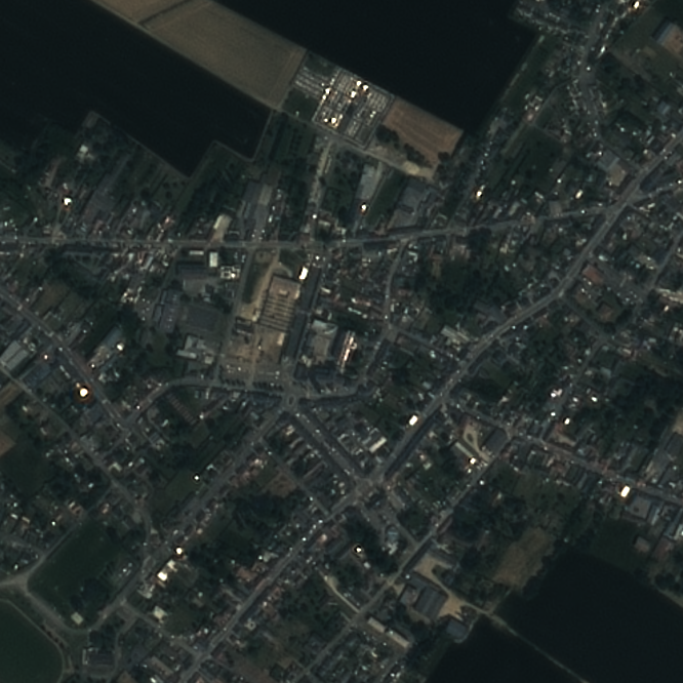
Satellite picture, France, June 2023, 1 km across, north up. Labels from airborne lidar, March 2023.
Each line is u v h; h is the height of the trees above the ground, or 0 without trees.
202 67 0
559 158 0
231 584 9
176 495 0
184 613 0
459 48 0
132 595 0
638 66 0
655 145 0
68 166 0
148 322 0
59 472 16
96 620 0
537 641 0
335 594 0
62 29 0
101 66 0
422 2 0
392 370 7
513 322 0
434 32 0
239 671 0
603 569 0
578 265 0
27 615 0
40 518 6
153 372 8
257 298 0
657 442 9
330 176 0
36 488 0
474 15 0
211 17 0
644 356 0
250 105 0
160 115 0
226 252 12
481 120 0
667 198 0
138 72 0
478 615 0
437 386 0
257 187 0
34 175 7
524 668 0
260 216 0
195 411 0
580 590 0
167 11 0
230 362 0
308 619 0
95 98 0
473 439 0
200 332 0
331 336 0
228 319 0
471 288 17
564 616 0
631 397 8
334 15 0
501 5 0
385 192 0
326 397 0
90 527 0
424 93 0
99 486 16
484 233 18
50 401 7
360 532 9
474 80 0
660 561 0
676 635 0
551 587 0
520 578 0
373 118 0
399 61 0
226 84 0
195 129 0
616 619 0
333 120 0
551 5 13
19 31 0
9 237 0
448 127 0
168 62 0
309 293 0
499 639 0
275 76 0
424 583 0
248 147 0
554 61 0
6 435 0
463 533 16
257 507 20
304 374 0
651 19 0
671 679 0
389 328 0
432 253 0
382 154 0
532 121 0
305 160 6
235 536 0
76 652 0
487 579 0
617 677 0
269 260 17
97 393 0
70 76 0
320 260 0
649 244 0
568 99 0
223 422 12
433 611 0
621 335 0
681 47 0
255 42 0
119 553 0
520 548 0
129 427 0
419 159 7
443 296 10
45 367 0
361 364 0
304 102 0
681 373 0
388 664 0
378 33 0
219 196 10
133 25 0
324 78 0
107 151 9
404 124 0
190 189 0
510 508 10
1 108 0
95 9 0
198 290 0
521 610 0
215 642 0
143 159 0
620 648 0
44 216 0
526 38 0
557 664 0
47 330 0
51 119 0
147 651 0
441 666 0
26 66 0
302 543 0
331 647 0
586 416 13
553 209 0
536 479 0
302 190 8
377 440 0
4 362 0
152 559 0
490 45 0
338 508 0
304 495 8
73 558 0
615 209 0
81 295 7
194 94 0
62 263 8
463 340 0
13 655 0
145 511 0
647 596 0
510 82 0
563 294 0
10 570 0
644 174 0
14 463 0
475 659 0
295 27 0
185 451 12
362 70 0
